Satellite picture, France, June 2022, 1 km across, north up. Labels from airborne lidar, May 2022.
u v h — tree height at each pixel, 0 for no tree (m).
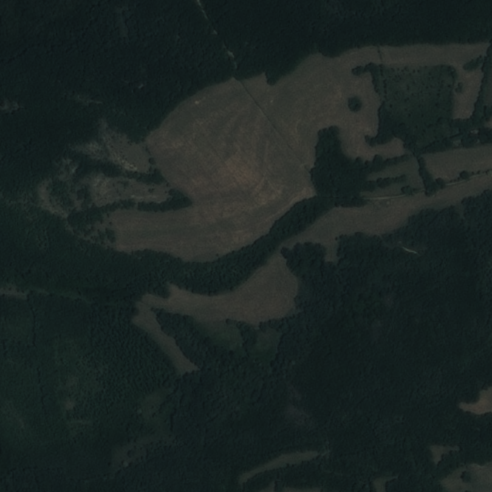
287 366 17
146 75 16
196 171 0
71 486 15
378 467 13
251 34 14
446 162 0
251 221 0
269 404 7
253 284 0
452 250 7
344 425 9
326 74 0
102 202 0
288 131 0
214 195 0
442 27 19
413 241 7
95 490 6
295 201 0
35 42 8
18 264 14
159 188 0
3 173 12
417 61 0
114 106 11
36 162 11
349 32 16
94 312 16
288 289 0
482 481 0
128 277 14
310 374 12
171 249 0
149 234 0
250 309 0
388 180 12
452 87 13
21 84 18
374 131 0
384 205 0
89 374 7
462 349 6
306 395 6
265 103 0
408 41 23
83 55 16
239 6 17
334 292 17
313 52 11
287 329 14
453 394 10
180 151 0
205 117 0
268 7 21
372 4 16
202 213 0
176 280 13
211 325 0
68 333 14
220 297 0
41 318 14
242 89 0
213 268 12
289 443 8
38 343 14
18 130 23
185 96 11
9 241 9
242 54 12
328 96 0
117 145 0
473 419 15
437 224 10
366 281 12
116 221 0
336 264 7
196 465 15
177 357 0
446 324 6
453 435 16
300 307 8
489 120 10
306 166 0
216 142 0
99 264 11
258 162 0
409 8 13
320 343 7
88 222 9
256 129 0
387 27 20
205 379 22
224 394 17
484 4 19
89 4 8
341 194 16
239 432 10
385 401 8
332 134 10
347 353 6
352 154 0
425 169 14
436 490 12
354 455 12
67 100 8
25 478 18
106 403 10
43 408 8
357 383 8
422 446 17
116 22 10
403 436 15
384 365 6
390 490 14
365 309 6
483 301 10
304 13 18
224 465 7
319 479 10
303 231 18
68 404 0
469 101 0
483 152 0
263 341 0
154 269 7
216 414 15
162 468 13
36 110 17
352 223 0
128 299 16
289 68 17
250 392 10
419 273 6
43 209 6
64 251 10
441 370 8
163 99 14
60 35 9
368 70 9
